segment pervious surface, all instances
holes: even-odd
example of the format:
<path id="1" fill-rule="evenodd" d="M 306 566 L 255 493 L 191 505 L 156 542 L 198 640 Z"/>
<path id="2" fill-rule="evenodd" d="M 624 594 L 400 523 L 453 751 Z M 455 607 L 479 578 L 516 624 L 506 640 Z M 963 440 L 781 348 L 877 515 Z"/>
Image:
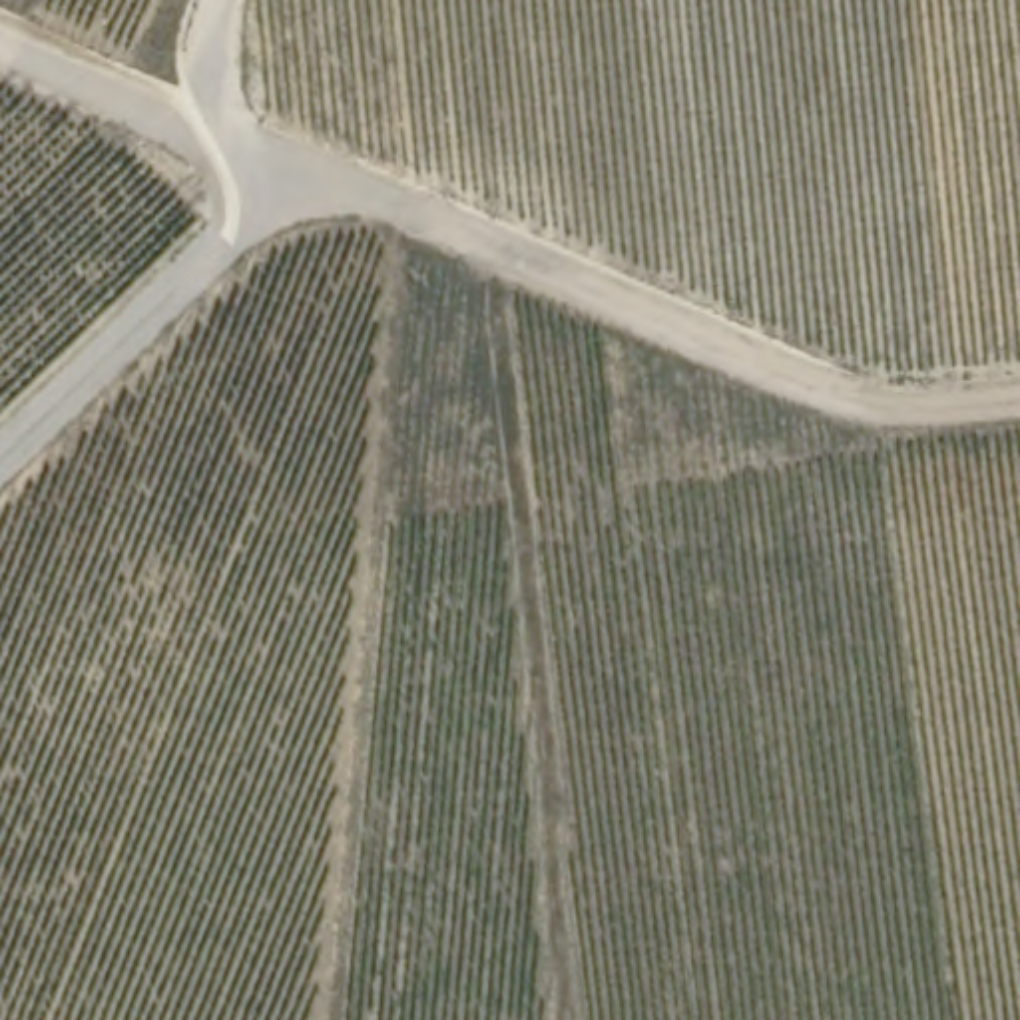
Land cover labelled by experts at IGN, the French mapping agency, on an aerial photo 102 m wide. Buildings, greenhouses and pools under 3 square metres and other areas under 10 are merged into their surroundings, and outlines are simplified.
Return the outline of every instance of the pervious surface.
<path id="1" fill-rule="evenodd" d="M 135 135 L 116 120 L 100 120 L 100 135 L 108 143 L 128 147 L 139 163 L 167 179 L 171 191 L 195 211 L 207 199 L 207 187 L 219 179 L 203 147 L 183 151 L 151 135 Z"/>
<path id="2" fill-rule="evenodd" d="M 0 8 L 0 72 L 16 60 L 16 48 L 28 36 L 16 12 Z"/>
<path id="3" fill-rule="evenodd" d="M 908 371 L 904 386 L 889 383 L 885 367 L 873 367 L 869 375 L 845 375 L 829 355 L 789 347 L 785 339 L 765 335 L 765 327 L 737 323 L 709 295 L 669 295 L 630 275 L 618 255 L 606 255 L 606 247 L 586 247 L 578 239 L 566 239 L 562 231 L 534 231 L 522 219 L 494 219 L 482 207 L 482 195 L 466 191 L 458 179 L 410 171 L 406 187 L 422 195 L 422 215 L 402 231 L 414 239 L 462 255 L 478 275 L 526 287 L 530 295 L 554 299 L 598 323 L 626 327 L 665 351 L 725 371 L 729 379 L 741 379 L 757 390 L 817 406 L 849 422 L 968 426 L 1020 418 L 1020 359 L 980 367 L 940 363 L 932 371 Z"/>

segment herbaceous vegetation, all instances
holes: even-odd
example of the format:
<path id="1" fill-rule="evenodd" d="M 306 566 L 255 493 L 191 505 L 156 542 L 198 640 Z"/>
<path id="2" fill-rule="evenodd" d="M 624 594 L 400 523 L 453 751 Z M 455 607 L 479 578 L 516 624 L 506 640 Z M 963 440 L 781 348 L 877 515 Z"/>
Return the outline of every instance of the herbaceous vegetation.
<path id="1" fill-rule="evenodd" d="M 323 889 L 315 968 L 319 992 L 311 1020 L 331 1020 L 335 976 L 347 976 L 351 968 L 359 841 L 367 837 L 363 793 L 371 753 L 371 693 L 379 661 L 383 590 L 390 566 L 390 530 L 398 526 L 398 498 L 394 490 L 379 486 L 379 478 L 383 450 L 390 438 L 386 386 L 394 367 L 394 339 L 402 327 L 398 303 L 406 299 L 402 259 L 414 239 L 402 231 L 390 223 L 371 223 L 383 243 L 383 295 L 375 307 L 375 375 L 367 383 L 371 418 L 363 494 L 355 514 L 359 574 L 351 586 L 355 606 L 347 622 L 351 649 L 343 657 L 347 685 L 339 701 L 343 729 L 335 745 L 335 805 L 327 849 L 331 877 Z"/>

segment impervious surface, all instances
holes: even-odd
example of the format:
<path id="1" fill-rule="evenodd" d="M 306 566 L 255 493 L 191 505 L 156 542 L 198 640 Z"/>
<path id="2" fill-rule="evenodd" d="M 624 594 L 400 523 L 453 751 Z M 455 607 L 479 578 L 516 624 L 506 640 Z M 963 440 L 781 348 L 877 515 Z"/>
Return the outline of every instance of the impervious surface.
<path id="1" fill-rule="evenodd" d="M 422 215 L 422 195 L 406 187 L 410 171 L 355 155 L 347 143 L 323 139 L 311 128 L 287 128 L 275 112 L 251 116 L 243 108 L 243 0 L 187 0 L 175 40 L 175 84 L 147 76 L 124 60 L 100 60 L 96 52 L 72 56 L 56 44 L 28 36 L 16 48 L 16 60 L 0 72 L 0 80 L 20 92 L 36 92 L 40 100 L 52 100 L 76 116 L 100 120 L 116 120 L 135 135 L 151 135 L 183 151 L 203 147 L 219 179 L 207 187 L 207 199 L 195 211 L 191 231 L 179 235 L 167 247 L 167 255 L 0 414 L 0 486 L 8 478 L 20 478 L 28 486 L 44 466 L 44 446 L 68 422 L 80 418 L 80 410 L 92 398 L 116 386 L 124 363 L 131 363 L 163 331 L 167 319 L 183 315 L 199 295 L 207 295 L 223 279 L 223 271 L 243 247 L 267 243 L 279 227 L 291 227 L 299 219 L 363 215 L 371 223 L 390 223 L 402 231 Z"/>

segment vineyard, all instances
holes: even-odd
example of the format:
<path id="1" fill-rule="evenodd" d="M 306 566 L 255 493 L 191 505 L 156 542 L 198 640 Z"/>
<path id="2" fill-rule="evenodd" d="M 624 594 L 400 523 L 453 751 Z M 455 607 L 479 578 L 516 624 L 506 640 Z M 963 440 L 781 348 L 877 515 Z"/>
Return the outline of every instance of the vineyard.
<path id="1" fill-rule="evenodd" d="M 291 227 L 279 227 L 267 243 L 243 247 L 223 271 L 223 279 L 207 295 L 199 295 L 183 315 L 167 319 L 163 331 L 131 363 L 124 363 L 116 386 L 92 398 L 80 410 L 80 418 L 68 422 L 44 446 L 44 466 L 28 486 L 20 478 L 8 478 L 0 486 L 0 1020 L 311 1020 L 319 992 L 315 968 L 323 889 L 331 877 L 327 849 L 335 805 L 335 745 L 343 729 L 339 701 L 347 685 L 343 657 L 351 649 L 347 622 L 355 606 L 351 586 L 359 574 L 355 514 L 363 494 L 371 418 L 367 383 L 375 375 L 375 307 L 383 295 L 383 243 L 371 223 L 363 215 L 299 219 Z"/>
<path id="2" fill-rule="evenodd" d="M 331 1020 L 1020 1020 L 1020 418 L 968 426 L 849 422 L 817 406 L 757 390 L 741 379 L 729 379 L 725 371 L 665 351 L 626 327 L 598 323 L 554 299 L 530 295 L 526 287 L 478 275 L 462 255 L 414 239 L 402 259 L 406 299 L 398 303 L 402 327 L 394 339 L 394 367 L 386 386 L 390 438 L 383 450 L 379 478 L 379 486 L 394 490 L 398 498 L 398 526 L 390 530 L 390 566 L 383 590 L 379 661 L 371 693 L 371 753 L 363 793 L 367 837 L 359 841 L 351 968 L 347 976 L 335 976 Z"/>
<path id="3" fill-rule="evenodd" d="M 179 235 L 191 231 L 195 211 L 171 191 L 167 179 L 139 163 L 128 147 L 108 143 L 100 135 L 100 120 L 76 116 L 52 100 L 40 100 L 36 92 L 20 92 L 0 80 L 0 414 L 167 255 L 167 247 Z"/>
<path id="4" fill-rule="evenodd" d="M 669 295 L 709 295 L 737 323 L 765 327 L 765 335 L 785 339 L 789 347 L 829 355 L 845 375 L 869 375 L 873 367 L 885 367 L 889 383 L 904 386 L 908 371 L 932 371 L 940 363 L 980 367 L 1020 359 L 1020 0 L 243 0 L 243 108 L 251 116 L 275 112 L 287 128 L 311 128 L 323 139 L 347 143 L 355 155 L 410 171 L 458 179 L 466 191 L 482 195 L 482 207 L 494 219 L 522 219 L 534 231 L 562 231 L 566 239 L 578 239 L 586 247 L 606 247 L 606 255 L 618 255 L 630 275 Z"/>
<path id="5" fill-rule="evenodd" d="M 100 60 L 124 60 L 147 76 L 175 84 L 175 40 L 187 0 L 0 0 L 0 8 L 16 12 L 28 36 L 56 44 L 72 56 L 96 52 Z"/>

